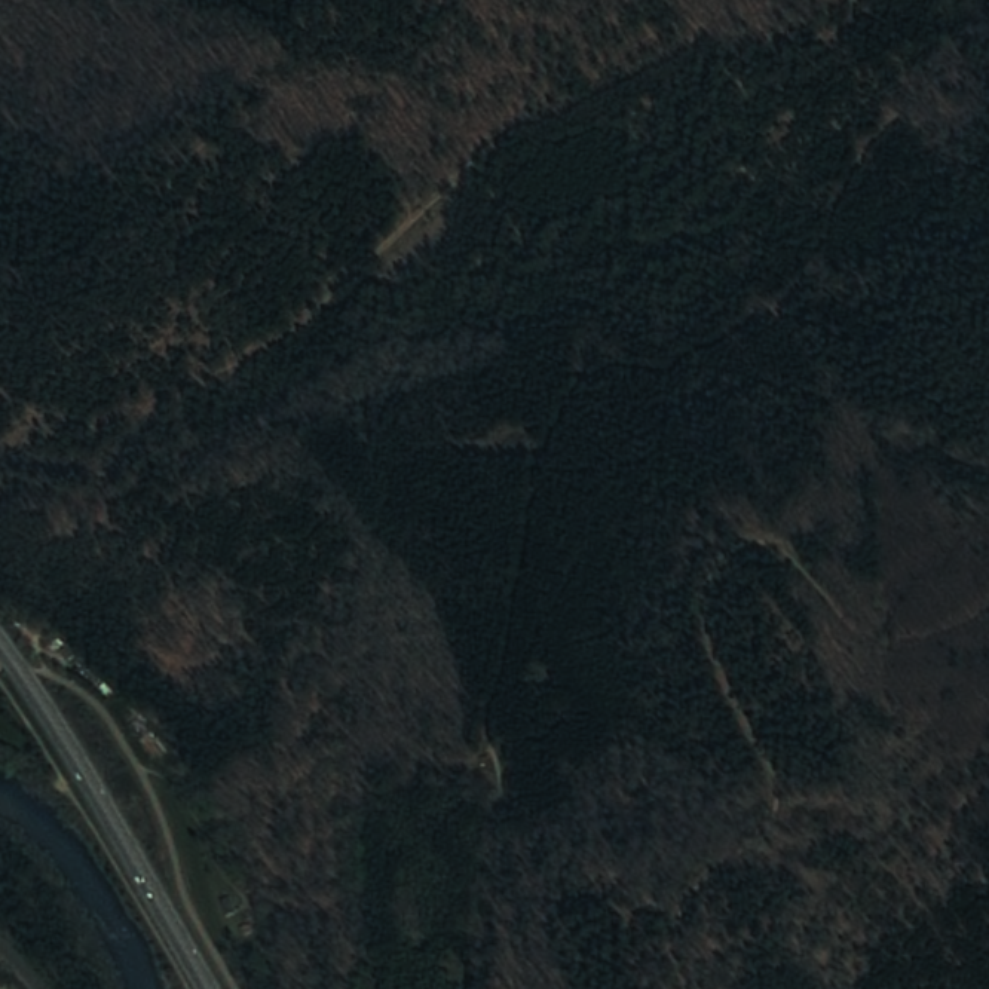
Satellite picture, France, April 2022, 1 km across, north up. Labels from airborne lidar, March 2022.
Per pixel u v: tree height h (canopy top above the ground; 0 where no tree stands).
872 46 20
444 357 27
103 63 21
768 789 19
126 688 26
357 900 24
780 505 22
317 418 14
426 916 22
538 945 22
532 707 23
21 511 17
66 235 28
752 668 27
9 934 22
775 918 7
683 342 21
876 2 13
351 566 28
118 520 7
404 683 24
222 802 30
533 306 19
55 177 25
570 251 12
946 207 26
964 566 12
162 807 0
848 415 20
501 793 14
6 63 27
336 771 26
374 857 22
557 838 20
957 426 27
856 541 25
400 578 24
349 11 24
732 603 25
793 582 21
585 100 24
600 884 7
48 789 17
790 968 17
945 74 9
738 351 21
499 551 26
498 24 12
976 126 13
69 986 19
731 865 9
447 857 24
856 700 18
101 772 0
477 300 13
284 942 30
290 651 25
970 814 11
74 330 23
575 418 24
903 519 12
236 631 20
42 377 28
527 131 25
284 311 30
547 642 18
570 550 16
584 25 22
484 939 17
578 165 22
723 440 24
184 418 18
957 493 22
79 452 26
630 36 22
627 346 30
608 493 23
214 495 9
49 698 0
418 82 14
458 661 23
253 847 27
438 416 22
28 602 32
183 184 12
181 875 0
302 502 10
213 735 32
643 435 21
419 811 19
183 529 12
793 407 32
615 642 11
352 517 24
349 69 21
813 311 19
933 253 20
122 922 0
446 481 25
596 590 15
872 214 13
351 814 15
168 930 0
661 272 31
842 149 12
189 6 34
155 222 25
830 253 11
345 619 25
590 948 19
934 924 12
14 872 21
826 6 20
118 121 24
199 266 21
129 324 26
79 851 0
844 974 19
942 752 14
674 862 25
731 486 27
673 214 28
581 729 17
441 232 0
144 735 0
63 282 24
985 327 31
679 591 27
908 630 16
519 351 28
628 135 13
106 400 34
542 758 14
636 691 8
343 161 29
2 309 25
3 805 0
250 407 11
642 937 12
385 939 22
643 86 19
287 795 23
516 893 22
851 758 20
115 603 25
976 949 9
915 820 8
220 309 24
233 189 30
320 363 20
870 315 26
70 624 26
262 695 27
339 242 34
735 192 7
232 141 28
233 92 26
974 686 9
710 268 31
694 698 25
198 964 0
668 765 24
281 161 32
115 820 0
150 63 23
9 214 7
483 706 25
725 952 14
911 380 32
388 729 29
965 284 27
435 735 29
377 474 26
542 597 18
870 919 9
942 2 10
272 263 27
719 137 27
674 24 25
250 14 26
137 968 0
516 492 24
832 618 16
